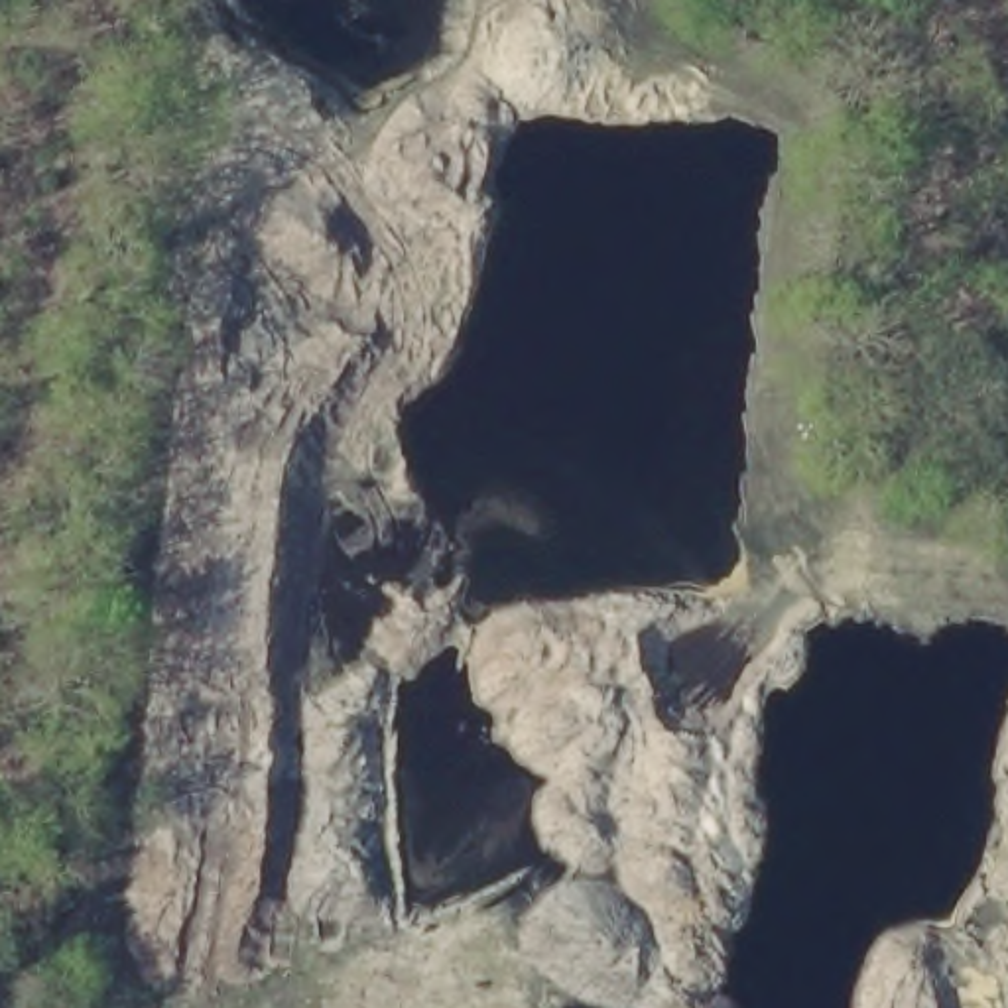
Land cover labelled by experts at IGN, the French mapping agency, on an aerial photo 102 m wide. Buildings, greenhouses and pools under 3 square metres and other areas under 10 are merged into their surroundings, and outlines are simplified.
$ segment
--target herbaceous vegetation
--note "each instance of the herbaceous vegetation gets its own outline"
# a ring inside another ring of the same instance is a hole
[[[953,87],[917,114],[921,134],[914,142],[910,181],[890,197],[902,228],[898,260],[890,264],[890,272],[882,280],[870,280],[862,260],[851,268],[831,268],[831,280],[854,284],[874,303],[882,295],[914,291],[933,252],[925,248],[925,240],[945,228],[965,228],[969,256],[977,264],[1008,264],[1008,193],[996,197],[996,209],[988,217],[980,217],[973,213],[969,197],[957,193],[957,181],[973,177],[980,165],[996,165],[1008,154],[1008,114],[988,118],[984,130],[977,130],[965,118],[965,98],[953,95]]]
[[[165,343],[142,366],[161,382],[161,390],[150,402],[150,453],[138,476],[126,480],[114,496],[114,524],[122,524],[122,532],[134,539],[134,547],[126,551],[126,583],[134,587],[158,571],[165,476],[173,461],[173,402],[185,378],[181,366],[193,350],[189,327],[173,323]]]
[[[16,740],[32,732],[28,693],[39,650],[28,642],[28,610],[8,599],[8,591],[0,591],[0,780],[20,788],[35,772],[20,756]]]
[[[756,79],[768,79],[799,102],[795,126],[811,130],[823,110],[839,102],[831,95],[831,55],[807,43],[760,43],[748,59]]]
[[[0,878],[0,906],[20,921],[20,953],[8,969],[0,969],[0,1008],[12,1008],[16,984],[35,969],[71,937],[83,937],[79,914],[67,906],[67,882],[91,862],[95,839],[59,839],[59,858],[39,878],[28,870],[8,870]]]
[[[945,299],[937,307],[953,311],[953,323],[977,327],[984,335],[1000,327],[996,303],[988,303],[980,291],[965,295],[961,284],[949,280]]]
[[[134,35],[134,24],[114,8],[114,0],[0,0],[0,579],[8,575],[16,551],[32,543],[39,532],[59,539],[59,512],[51,492],[32,496],[20,512],[8,512],[12,473],[24,465],[24,453],[32,449],[35,410],[47,402],[47,374],[39,374],[39,366],[32,362],[24,339],[51,303],[67,240],[87,236],[91,224],[79,217],[75,197],[75,185],[87,173],[87,165],[75,154],[67,102],[79,83],[87,83],[98,71],[98,59],[110,43],[130,43]],[[39,154],[43,146],[55,146],[55,150],[59,150],[59,185],[63,185],[59,193],[43,193],[43,189],[39,189],[39,177],[35,177],[35,154]]]
[[[988,59],[1008,91],[1008,0],[929,0],[921,16],[910,20],[917,35],[929,35],[929,20],[945,24],[949,16],[965,12],[969,24],[984,35]]]

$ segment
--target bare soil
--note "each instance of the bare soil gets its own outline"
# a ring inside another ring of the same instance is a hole
[[[886,929],[874,941],[854,988],[854,1008],[1008,1008],[1008,717],[992,760],[996,819],[969,890],[945,917],[921,917]]]
[[[791,244],[803,240],[803,217],[795,217],[772,189],[764,197],[756,232],[764,284],[788,272]]]
[[[776,689],[788,689],[799,677],[807,630],[858,618],[886,622],[917,638],[929,638],[933,630],[953,622],[992,622],[1008,630],[1008,563],[984,567],[973,559],[973,547],[941,543],[945,532],[933,520],[917,520],[906,528],[886,520],[890,504],[874,484],[858,484],[843,500],[815,496],[791,473],[795,382],[788,343],[780,335],[760,331],[744,382],[744,476],[740,508],[732,520],[736,567],[721,583],[669,583],[587,599],[516,602],[500,606],[480,626],[469,626],[453,610],[457,595],[465,591],[465,575],[453,575],[441,587],[441,547],[425,547],[425,555],[402,587],[386,583],[390,614],[374,622],[354,665],[339,654],[335,638],[311,642],[303,693],[307,799],[284,902],[260,894],[272,776],[268,595],[276,567],[280,484],[299,425],[307,425],[315,413],[331,437],[327,496],[343,504],[343,512],[362,516],[358,532],[343,543],[347,555],[362,555],[374,543],[386,543],[390,520],[425,520],[425,500],[413,492],[406,476],[398,406],[433,386],[449,362],[461,319],[473,299],[473,244],[488,213],[488,197],[480,189],[488,173],[488,154],[512,134],[512,126],[547,114],[599,126],[728,118],[772,130],[784,142],[784,134],[795,126],[799,102],[768,79],[756,79],[748,59],[732,55],[728,47],[721,55],[709,55],[689,47],[673,32],[665,32],[650,0],[449,0],[441,55],[417,71],[402,71],[378,83],[374,91],[362,91],[350,75],[323,63],[311,75],[303,75],[287,67],[276,51],[244,55],[232,51],[224,35],[209,39],[205,55],[197,59],[197,83],[221,83],[221,95],[236,98],[236,134],[232,146],[221,150],[221,165],[201,154],[201,181],[177,193],[177,224],[158,236],[158,284],[161,299],[173,307],[173,323],[189,327],[193,350],[181,366],[185,378],[173,402],[173,461],[165,476],[158,571],[134,587],[134,646],[142,662],[142,681],[126,709],[126,744],[110,756],[102,772],[110,803],[98,815],[95,839],[91,862],[67,882],[67,906],[79,914],[83,937],[91,937],[91,953],[106,969],[106,988],[98,992],[95,1008],[732,1008],[732,1000],[721,988],[725,937],[728,929],[744,925],[756,862],[764,851],[764,815],[756,799],[760,701]],[[508,744],[520,764],[543,776],[543,788],[536,795],[536,831],[539,843],[555,858],[563,858],[563,878],[547,886],[536,870],[520,866],[465,898],[410,914],[398,839],[398,697],[402,681],[410,681],[441,650],[457,650],[457,658],[469,662],[473,697],[492,713],[496,740]],[[165,795],[173,803],[173,815],[146,835],[138,835],[134,827],[142,764],[150,772],[165,772]]]

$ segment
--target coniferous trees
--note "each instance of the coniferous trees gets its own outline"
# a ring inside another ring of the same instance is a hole
[[[173,803],[165,795],[165,772],[150,772],[142,764],[134,827],[138,835],[146,835],[173,815]]]
[[[965,118],[977,130],[984,130],[988,118],[1008,114],[1008,91],[988,59],[984,35],[969,24],[965,12],[949,16],[945,24],[929,20],[929,35],[933,55],[953,87],[953,95],[965,98]]]
[[[91,937],[83,937],[71,937],[35,969],[43,984],[75,984],[71,1008],[95,1008],[98,992],[106,988],[106,969],[91,953]]]
[[[921,429],[925,441],[910,457],[921,469],[949,473],[949,500],[957,508],[977,492],[1008,500],[1008,264],[977,264],[969,256],[965,228],[945,228],[925,240],[925,248],[933,252],[914,291],[882,295],[874,303],[878,327],[866,331],[866,343],[854,350],[854,362],[870,378],[890,378],[890,390],[902,410],[894,425]],[[949,280],[961,284],[965,295],[980,291],[988,303],[996,303],[1000,327],[984,335],[977,327],[953,323],[953,311],[937,307],[945,299]]]
[[[8,969],[20,953],[20,921],[0,906],[0,969]]]
[[[102,772],[35,772],[20,788],[0,780],[0,878],[8,870],[28,870],[39,878],[59,858],[59,839],[95,839],[98,815],[110,803]]]
[[[969,197],[973,213],[980,217],[988,217],[996,209],[996,197],[1008,193],[1008,154],[996,165],[980,165],[973,177],[957,181],[957,193]]]
[[[39,189],[43,189],[43,193],[59,193],[63,185],[59,185],[59,150],[55,150],[55,146],[43,146],[39,154],[35,154],[35,177],[39,177]]]

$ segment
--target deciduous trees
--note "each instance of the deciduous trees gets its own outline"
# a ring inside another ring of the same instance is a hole
[[[75,984],[43,984],[35,969],[16,984],[12,1008],[71,1008]]]
[[[803,240],[791,244],[788,272],[764,284],[760,331],[780,335],[788,343],[795,382],[791,473],[815,496],[843,500],[858,484],[874,484],[890,504],[886,520],[906,528],[917,520],[933,520],[945,532],[941,543],[973,547],[973,559],[984,567],[1008,563],[1008,500],[977,492],[957,508],[949,500],[949,473],[921,469],[910,457],[925,441],[921,429],[894,425],[902,410],[890,390],[890,378],[870,378],[854,362],[854,350],[866,343],[866,331],[878,327],[874,303],[854,284],[831,280],[831,268],[851,268],[862,260],[870,280],[882,280],[890,272],[890,264],[898,260],[902,228],[890,197],[910,181],[914,142],[921,134],[917,114],[953,87],[933,55],[929,35],[917,35],[910,20],[921,16],[929,0],[650,0],[665,32],[673,32],[689,47],[709,55],[721,55],[728,47],[732,55],[748,59],[760,43],[807,43],[831,55],[831,95],[839,102],[823,110],[811,130],[795,126],[784,134],[784,142],[772,189],[795,217],[803,217]]]
[[[0,591],[8,591],[8,599],[28,610],[28,642],[39,650],[28,693],[32,732],[16,740],[20,756],[35,772],[102,772],[110,756],[126,744],[126,709],[142,681],[142,662],[134,646],[134,587],[126,583],[126,551],[134,547],[134,539],[122,532],[122,524],[114,524],[114,496],[126,480],[138,476],[150,453],[150,402],[161,390],[161,382],[142,366],[165,343],[173,323],[173,307],[161,299],[158,284],[158,236],[177,224],[177,193],[201,181],[201,154],[221,165],[221,150],[232,146],[236,134],[236,98],[221,95],[221,83],[197,83],[197,59],[205,55],[209,39],[189,35],[185,16],[193,0],[114,0],[114,8],[134,24],[134,35],[130,43],[110,43],[98,59],[98,71],[87,83],[79,83],[67,102],[75,154],[87,165],[87,173],[75,185],[75,197],[79,217],[91,224],[87,236],[67,240],[51,303],[24,339],[32,362],[39,366],[39,374],[47,374],[47,402],[35,410],[32,449],[24,453],[24,465],[12,473],[8,512],[20,512],[32,496],[51,492],[59,512],[59,539],[39,532],[32,543],[16,551],[8,575],[0,579]]]

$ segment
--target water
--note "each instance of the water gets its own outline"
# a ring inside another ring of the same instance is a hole
[[[969,890],[996,819],[992,760],[1008,717],[1008,630],[992,622],[953,622],[933,630],[929,638],[917,638],[886,622],[858,618],[807,630],[799,677],[788,689],[776,689],[760,701],[756,799],[764,815],[764,851],[756,862],[744,925],[728,929],[725,937],[721,988],[732,1000],[732,1008],[854,1008],[854,988],[874,941],[886,929],[921,917],[945,917]]]
[[[224,35],[232,51],[244,55],[276,51],[287,67],[303,75],[311,75],[323,63],[350,75],[362,91],[374,91],[378,83],[402,71],[417,71],[441,55],[449,0],[193,0],[185,16],[189,35],[209,39]]]
[[[512,126],[512,134],[488,154],[488,173],[480,189],[488,197],[488,213],[473,244],[473,299],[461,319],[449,362],[433,386],[398,406],[406,476],[413,492],[425,500],[425,520],[390,520],[386,543],[374,543],[362,555],[347,555],[343,543],[358,532],[362,516],[343,512],[343,504],[327,496],[331,437],[315,413],[307,425],[299,425],[280,484],[276,567],[268,595],[272,776],[260,894],[284,902],[307,799],[303,693],[311,642],[335,638],[339,654],[354,665],[374,622],[390,614],[386,583],[402,587],[425,555],[425,547],[441,547],[441,587],[453,575],[465,575],[465,591],[457,595],[453,610],[469,626],[480,626],[500,606],[516,602],[587,599],[669,583],[721,583],[736,567],[732,520],[740,508],[744,476],[744,382],[760,331],[764,284],[756,232],[764,197],[772,189],[784,142],[772,130],[728,118],[599,126],[547,114]]]
[[[492,713],[473,697],[469,662],[457,658],[457,650],[441,650],[410,681],[402,681],[398,697],[398,839],[410,914],[465,898],[520,866],[536,870],[547,886],[563,878],[563,858],[555,858],[539,843],[536,831],[536,795],[543,788],[543,776],[520,764],[508,744],[496,740]]]

